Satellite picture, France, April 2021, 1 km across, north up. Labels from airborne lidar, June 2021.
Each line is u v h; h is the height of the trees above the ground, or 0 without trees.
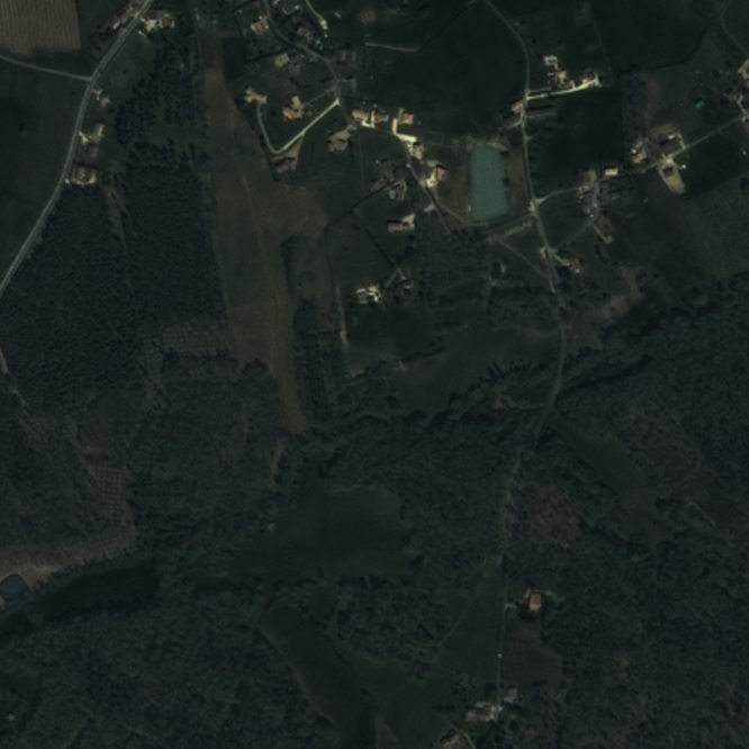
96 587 0
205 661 17
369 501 0
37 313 18
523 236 0
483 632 0
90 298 16
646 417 7
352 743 0
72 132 0
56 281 17
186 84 13
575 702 17
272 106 0
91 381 17
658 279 13
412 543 18
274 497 12
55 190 0
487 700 7
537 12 6
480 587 0
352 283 0
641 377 18
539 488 18
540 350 0
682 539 12
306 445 19
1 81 0
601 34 0
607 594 24
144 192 16
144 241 17
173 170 16
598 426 18
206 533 19
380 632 14
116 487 24
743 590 21
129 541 26
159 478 11
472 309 0
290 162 0
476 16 0
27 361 16
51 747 16
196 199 15
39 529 25
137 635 28
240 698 16
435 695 0
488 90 0
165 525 14
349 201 0
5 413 16
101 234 17
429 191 0
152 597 0
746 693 13
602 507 16
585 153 0
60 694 23
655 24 0
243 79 0
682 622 13
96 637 24
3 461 21
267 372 19
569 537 17
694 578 24
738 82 8
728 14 0
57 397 19
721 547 17
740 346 19
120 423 19
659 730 22
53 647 21
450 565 19
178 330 21
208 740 17
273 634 0
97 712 16
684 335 18
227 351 17
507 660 0
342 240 0
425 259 19
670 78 0
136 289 13
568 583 19
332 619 7
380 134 0
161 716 14
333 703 0
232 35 0
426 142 0
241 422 15
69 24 0
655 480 19
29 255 0
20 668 13
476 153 0
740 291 20
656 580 14
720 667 19
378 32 0
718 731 22
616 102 0
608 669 23
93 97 0
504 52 0
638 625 24
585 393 16
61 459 21
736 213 0
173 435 18
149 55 0
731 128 0
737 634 23
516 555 16
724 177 0
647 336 22
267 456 22
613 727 19
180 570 10
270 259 0
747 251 0
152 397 15
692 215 0
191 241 15
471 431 23
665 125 0
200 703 20
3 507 22
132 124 16
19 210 0
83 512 17
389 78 0
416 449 18
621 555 22
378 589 22
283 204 0
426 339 0
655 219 0
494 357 0
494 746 14
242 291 0
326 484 21
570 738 17
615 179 11
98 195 14
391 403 14
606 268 0
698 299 18
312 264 0
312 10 0
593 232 0
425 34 0
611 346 20
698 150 0
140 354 18
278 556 0
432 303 16
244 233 0
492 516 16
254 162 0
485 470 19
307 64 0
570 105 0
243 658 19
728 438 19
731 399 20
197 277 14
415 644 12
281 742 13
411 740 0
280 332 0
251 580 0
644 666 23
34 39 0
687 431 12
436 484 17
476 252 17
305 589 17
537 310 17
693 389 22
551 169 0
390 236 0
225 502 20
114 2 0
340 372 6
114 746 11
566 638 21
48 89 0
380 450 17
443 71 0
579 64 0
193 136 0
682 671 20
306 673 0
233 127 0
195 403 16
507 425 7
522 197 0
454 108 0
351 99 0
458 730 7
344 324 0
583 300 8
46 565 20
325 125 0
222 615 17
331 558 0
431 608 21
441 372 0
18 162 0
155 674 23
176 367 20
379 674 0
